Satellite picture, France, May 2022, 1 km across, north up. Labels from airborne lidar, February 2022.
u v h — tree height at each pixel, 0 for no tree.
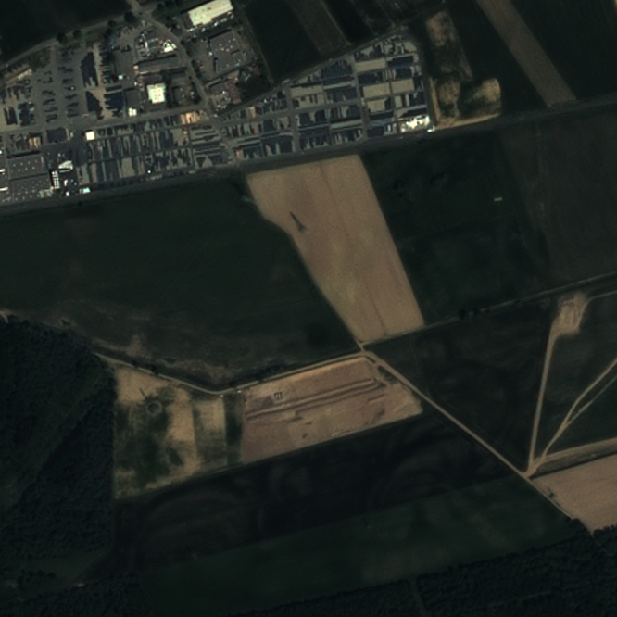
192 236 0
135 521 0
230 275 0
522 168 0
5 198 0
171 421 0
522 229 0
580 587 18
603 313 0
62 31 0
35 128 0
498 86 0
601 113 0
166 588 0
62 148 0
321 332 0
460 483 0
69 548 11
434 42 0
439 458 0
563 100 0
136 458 0
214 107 0
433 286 0
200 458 0
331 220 0
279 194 0
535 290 0
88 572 0
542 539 0
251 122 0
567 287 0
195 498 0
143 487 0
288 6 0
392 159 0
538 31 0
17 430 17
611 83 0
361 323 0
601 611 18
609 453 0
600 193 0
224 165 0
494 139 0
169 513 0
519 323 0
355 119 0
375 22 0
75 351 13
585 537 15
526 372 0
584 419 0
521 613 20
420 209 0
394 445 0
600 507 0
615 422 0
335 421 0
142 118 0
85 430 16
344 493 0
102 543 9
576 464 0
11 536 17
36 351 17
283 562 0
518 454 0
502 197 0
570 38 0
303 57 0
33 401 18
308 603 11
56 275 0
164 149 0
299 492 0
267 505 0
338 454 0
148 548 0
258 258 0
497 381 0
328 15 0
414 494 0
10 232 0
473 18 0
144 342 0
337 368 0
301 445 0
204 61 0
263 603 0
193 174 0
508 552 0
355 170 0
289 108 0
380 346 0
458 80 0
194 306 0
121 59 0
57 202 0
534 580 16
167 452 0
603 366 0
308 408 0
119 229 0
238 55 0
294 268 0
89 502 14
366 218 0
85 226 0
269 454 0
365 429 0
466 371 0
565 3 0
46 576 10
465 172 0
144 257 0
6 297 0
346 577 0
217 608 0
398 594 14
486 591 16
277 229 0
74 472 12
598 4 0
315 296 0
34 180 0
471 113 0
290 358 0
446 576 12
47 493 15
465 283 0
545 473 0
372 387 0
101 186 0
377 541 0
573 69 0
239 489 0
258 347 0
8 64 0
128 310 0
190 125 0
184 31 0
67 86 0
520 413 0
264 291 0
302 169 0
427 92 0
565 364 0
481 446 0
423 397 0
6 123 0
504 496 0
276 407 0
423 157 0
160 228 0
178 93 0
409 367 0
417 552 0
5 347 22
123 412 0
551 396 0
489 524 0
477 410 0
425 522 0
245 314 0
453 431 0
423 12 0
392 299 0
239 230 0
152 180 0
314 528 0
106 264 0
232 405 0
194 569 0
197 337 0
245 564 0
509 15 0
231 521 0
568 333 0
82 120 0
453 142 0
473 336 0
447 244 0
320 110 0
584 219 0
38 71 0
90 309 0
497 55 0
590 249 0
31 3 0
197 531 0
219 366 0
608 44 0
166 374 0
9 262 0
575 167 0
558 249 0
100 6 0
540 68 0
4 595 0
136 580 9
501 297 0
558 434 0
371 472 0
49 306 0
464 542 0
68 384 17
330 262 0
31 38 0
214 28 0
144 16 0
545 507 0
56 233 0
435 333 0
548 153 0
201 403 0
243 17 0
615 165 0
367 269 0
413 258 0
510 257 0
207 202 0
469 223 0
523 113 0
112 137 0
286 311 0
